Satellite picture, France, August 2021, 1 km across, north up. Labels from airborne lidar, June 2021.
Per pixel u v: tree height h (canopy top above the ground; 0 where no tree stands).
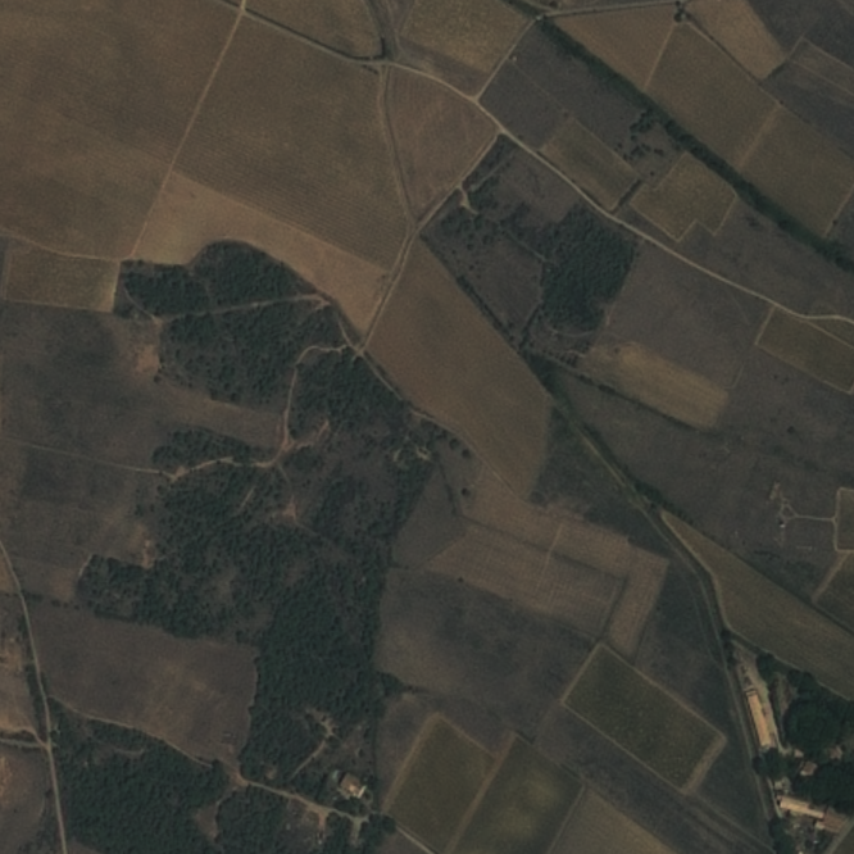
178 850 7
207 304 11
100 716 0
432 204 0
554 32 8
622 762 0
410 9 0
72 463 0
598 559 0
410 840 0
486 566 0
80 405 0
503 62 0
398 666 0
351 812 8
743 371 0
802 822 0
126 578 13
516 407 0
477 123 0
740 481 0
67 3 0
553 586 0
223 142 0
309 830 0
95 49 0
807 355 0
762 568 0
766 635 0
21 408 0
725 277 0
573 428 0
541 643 0
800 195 0
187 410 0
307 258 0
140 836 7
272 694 6
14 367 0
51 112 0
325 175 0
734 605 0
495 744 0
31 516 0
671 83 0
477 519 0
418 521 0
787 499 0
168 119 0
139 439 0
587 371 0
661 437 0
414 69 0
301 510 0
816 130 0
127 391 0
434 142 0
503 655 0
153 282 12
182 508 6
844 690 0
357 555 8
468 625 0
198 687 0
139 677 0
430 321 0
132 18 0
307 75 0
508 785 0
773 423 0
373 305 0
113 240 0
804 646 0
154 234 0
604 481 0
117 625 0
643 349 0
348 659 12
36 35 0
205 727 0
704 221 0
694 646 0
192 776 7
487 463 0
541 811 0
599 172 0
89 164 0
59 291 0
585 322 7
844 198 0
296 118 0
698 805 0
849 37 0
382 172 0
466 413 0
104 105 0
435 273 0
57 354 0
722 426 0
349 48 0
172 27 0
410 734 0
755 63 0
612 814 0
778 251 0
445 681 0
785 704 0
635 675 0
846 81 0
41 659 0
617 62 0
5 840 0
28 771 0
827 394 0
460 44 0
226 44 0
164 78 0
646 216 0
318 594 8
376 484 0
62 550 0
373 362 0
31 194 0
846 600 0
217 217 0
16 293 0
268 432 0
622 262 6
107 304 0
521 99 0
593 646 0
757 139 0
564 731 0
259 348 6
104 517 0
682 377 0
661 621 0
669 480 0
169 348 0
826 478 0
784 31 0
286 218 0
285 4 0
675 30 0
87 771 6
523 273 0
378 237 0
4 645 0
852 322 0
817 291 0
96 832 6
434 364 0
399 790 0
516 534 0
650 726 0
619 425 0
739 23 0
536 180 0
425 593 0
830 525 0
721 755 0
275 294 8
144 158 0
